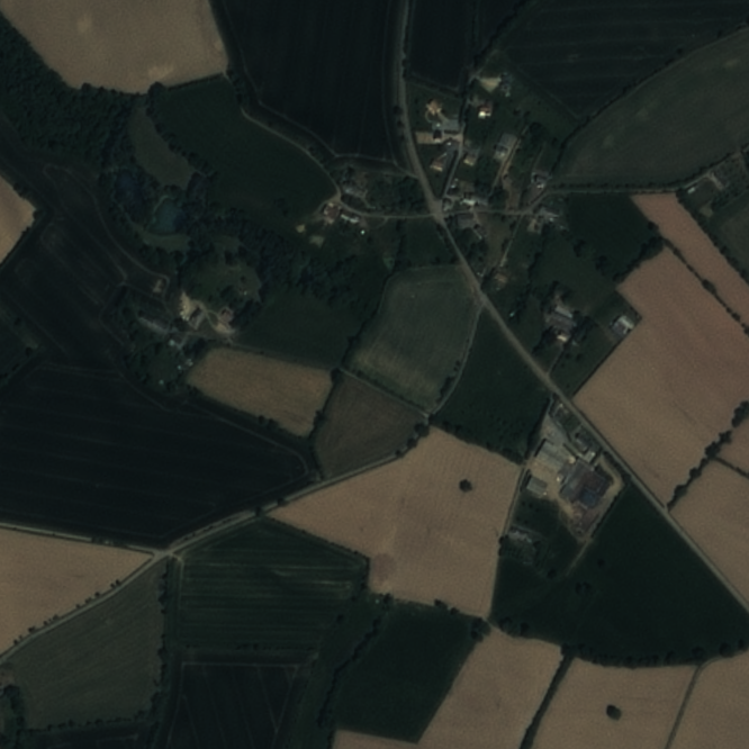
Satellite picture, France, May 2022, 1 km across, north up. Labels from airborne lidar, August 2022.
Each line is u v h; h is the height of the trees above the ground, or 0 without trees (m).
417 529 0
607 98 0
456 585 0
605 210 0
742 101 0
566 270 0
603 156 0
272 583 0
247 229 33
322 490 0
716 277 0
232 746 0
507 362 0
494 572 0
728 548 0
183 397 0
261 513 13
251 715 0
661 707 0
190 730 0
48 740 0
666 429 0
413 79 7
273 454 0
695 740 0
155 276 0
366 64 0
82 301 0
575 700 0
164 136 13
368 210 6
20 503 0
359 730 0
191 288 14
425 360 0
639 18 0
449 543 0
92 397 0
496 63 0
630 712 0
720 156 0
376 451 0
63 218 0
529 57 0
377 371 0
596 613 0
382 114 0
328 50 0
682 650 0
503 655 0
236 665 0
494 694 0
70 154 8
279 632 0
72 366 0
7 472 0
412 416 0
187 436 0
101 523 0
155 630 0
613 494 0
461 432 16
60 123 10
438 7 0
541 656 0
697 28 0
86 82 0
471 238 7
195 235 34
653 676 0
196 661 0
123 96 11
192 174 0
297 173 0
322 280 23
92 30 0
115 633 0
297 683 0
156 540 0
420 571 0
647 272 0
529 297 9
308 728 0
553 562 0
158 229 0
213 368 0
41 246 0
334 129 0
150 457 0
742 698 0
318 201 0
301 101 0
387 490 0
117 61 0
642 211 0
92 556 0
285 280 19
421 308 0
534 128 12
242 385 0
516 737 0
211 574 0
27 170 0
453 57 0
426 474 0
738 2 0
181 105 0
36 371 0
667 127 0
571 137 6
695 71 0
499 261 0
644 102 0
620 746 0
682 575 0
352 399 0
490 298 5
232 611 0
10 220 0
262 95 0
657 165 0
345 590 0
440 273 0
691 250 0
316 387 0
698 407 0
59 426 0
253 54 0
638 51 0
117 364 0
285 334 0
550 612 0
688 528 0
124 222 19
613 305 0
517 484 0
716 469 0
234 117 0
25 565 0
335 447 0
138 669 0
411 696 0
